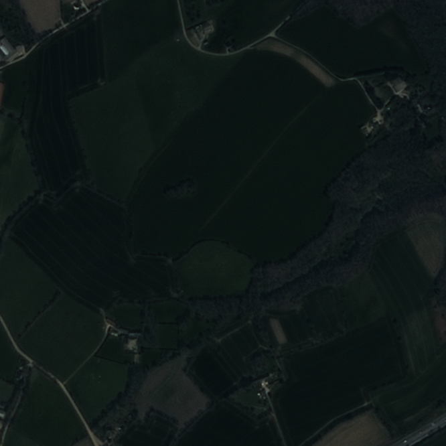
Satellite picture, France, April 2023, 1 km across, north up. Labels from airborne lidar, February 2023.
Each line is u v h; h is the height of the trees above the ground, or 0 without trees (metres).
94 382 0
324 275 19
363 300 0
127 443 0
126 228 0
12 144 0
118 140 0
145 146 0
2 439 10
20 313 0
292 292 20
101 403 0
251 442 0
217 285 0
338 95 0
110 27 0
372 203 11
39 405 0
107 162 0
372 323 0
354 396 0
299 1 0
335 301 0
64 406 0
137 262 0
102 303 0
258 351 0
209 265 0
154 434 0
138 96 0
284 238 0
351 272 18
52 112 0
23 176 0
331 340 10
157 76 0
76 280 0
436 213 17
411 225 0
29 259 0
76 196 0
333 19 0
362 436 0
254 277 13
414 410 0
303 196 0
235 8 0
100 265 0
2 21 8
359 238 17
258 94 0
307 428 0
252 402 0
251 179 0
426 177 22
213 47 0
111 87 0
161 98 0
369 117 0
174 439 12
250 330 0
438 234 0
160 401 0
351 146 0
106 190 0
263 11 0
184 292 0
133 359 0
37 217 0
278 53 0
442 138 16
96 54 0
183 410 0
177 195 14
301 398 0
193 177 0
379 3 15
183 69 0
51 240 0
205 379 0
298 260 23
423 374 0
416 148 22
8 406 12
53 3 0
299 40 0
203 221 0
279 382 7
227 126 0
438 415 0
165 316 0
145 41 0
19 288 0
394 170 17
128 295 0
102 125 0
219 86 0
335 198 13
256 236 0
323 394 0
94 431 17
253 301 21
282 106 0
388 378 0
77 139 0
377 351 0
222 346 0
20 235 0
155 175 0
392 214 22
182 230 0
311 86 0
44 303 0
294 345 0
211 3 16
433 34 17
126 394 13
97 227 0
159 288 0
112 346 0
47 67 0
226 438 0
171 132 0
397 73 10
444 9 20
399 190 18
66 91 0
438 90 18
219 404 0
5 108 0
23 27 14
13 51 0
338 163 0
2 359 0
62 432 0
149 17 0
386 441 0
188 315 21
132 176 0
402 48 0
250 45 0
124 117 0
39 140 0
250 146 0
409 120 9
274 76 0
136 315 0
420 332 0
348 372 0
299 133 0
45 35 13
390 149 18
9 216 0
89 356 0
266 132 0
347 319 0
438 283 16
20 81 0
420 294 0
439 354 0
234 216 0
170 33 0
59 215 0
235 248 0
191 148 0
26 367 13
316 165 0
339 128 0
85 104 0
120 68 0
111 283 0
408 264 0
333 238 20
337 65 0
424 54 18
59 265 0
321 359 0
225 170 0
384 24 0
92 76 0
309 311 0
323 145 0
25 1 0
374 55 0
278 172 0
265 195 0
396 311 0
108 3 0
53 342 0
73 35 0
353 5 20
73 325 0
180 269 0
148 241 0
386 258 0
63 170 0
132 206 0
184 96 0
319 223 0
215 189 0
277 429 0
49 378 11
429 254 0
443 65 18
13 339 0
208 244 0
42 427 0
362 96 0
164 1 0
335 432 0
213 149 0
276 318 0
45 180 0
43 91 0
